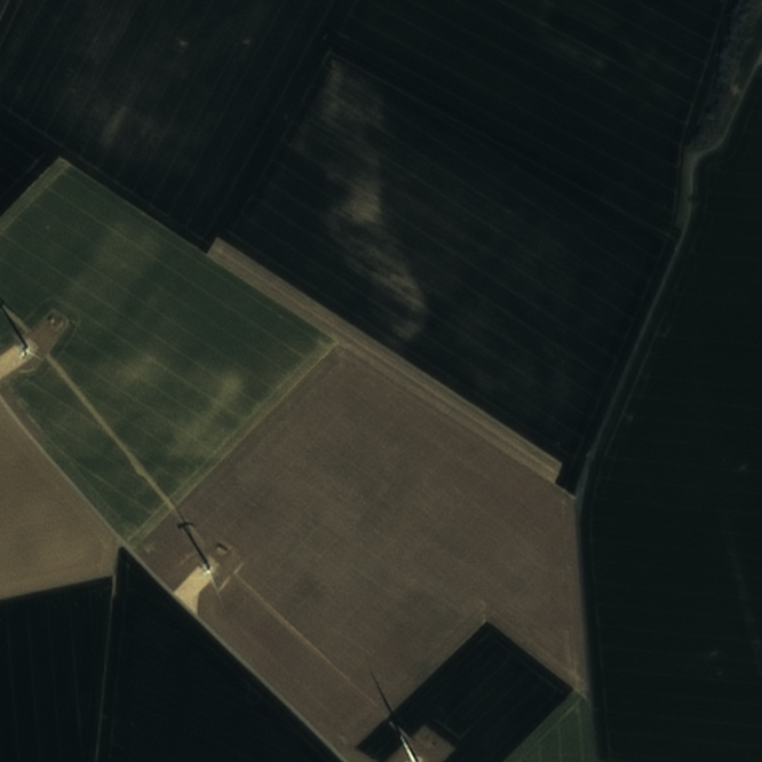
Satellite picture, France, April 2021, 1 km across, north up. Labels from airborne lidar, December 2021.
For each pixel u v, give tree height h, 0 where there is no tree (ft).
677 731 0
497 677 0
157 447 0
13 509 0
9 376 0
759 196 0
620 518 0
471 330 0
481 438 0
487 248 0
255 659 0
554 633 0
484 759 0
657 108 0
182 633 0
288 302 0
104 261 0
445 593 0
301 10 0
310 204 0
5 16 0
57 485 0
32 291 0
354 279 0
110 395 0
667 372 0
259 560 0
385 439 0
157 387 0
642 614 0
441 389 0
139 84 0
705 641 0
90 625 0
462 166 0
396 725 0
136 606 0
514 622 0
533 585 0
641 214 0
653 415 0
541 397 0
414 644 0
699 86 0
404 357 0
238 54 0
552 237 0
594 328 0
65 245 0
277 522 0
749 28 29
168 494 0
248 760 0
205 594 0
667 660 0
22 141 0
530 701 0
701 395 0
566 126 0
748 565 0
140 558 0
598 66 0
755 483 0
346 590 0
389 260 0
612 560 0
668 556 0
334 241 0
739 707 0
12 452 0
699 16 0
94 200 0
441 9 0
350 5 0
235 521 0
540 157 0
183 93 0
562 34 0
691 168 0
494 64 0
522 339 0
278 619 0
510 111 0
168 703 0
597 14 0
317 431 0
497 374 0
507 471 0
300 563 0
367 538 0
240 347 0
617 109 0
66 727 0
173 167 0
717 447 0
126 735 0
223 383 0
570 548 0
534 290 0
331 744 0
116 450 0
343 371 0
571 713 0
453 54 0
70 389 0
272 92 0
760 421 0
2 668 0
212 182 0
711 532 0
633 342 0
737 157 0
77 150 0
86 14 0
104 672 0
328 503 0
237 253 0
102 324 0
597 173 0
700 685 0
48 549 0
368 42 0
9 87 0
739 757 0
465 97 0
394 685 0
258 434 0
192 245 0
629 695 0
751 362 0
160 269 0
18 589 0
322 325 0
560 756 0
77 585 0
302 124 0
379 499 0
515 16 0
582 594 0
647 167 0
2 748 0
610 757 0
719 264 0
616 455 0
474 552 0
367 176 0
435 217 0
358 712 0
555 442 0
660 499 0
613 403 0
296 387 0
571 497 0
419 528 0
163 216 0
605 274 0
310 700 0
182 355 0
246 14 0
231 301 0
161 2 0
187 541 0
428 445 0
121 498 0
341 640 0
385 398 0
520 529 0
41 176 0
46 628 0
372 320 0
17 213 0
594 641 0
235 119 0
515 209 0
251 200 0
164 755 0
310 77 0
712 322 0
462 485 0
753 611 0
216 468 0
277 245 0
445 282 0
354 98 0
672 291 0
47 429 0
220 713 0
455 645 0
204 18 0
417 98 0
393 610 0
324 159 0
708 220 0
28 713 0
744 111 0
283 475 0
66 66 0
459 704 0
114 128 0
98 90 0
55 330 0
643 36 0
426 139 0
